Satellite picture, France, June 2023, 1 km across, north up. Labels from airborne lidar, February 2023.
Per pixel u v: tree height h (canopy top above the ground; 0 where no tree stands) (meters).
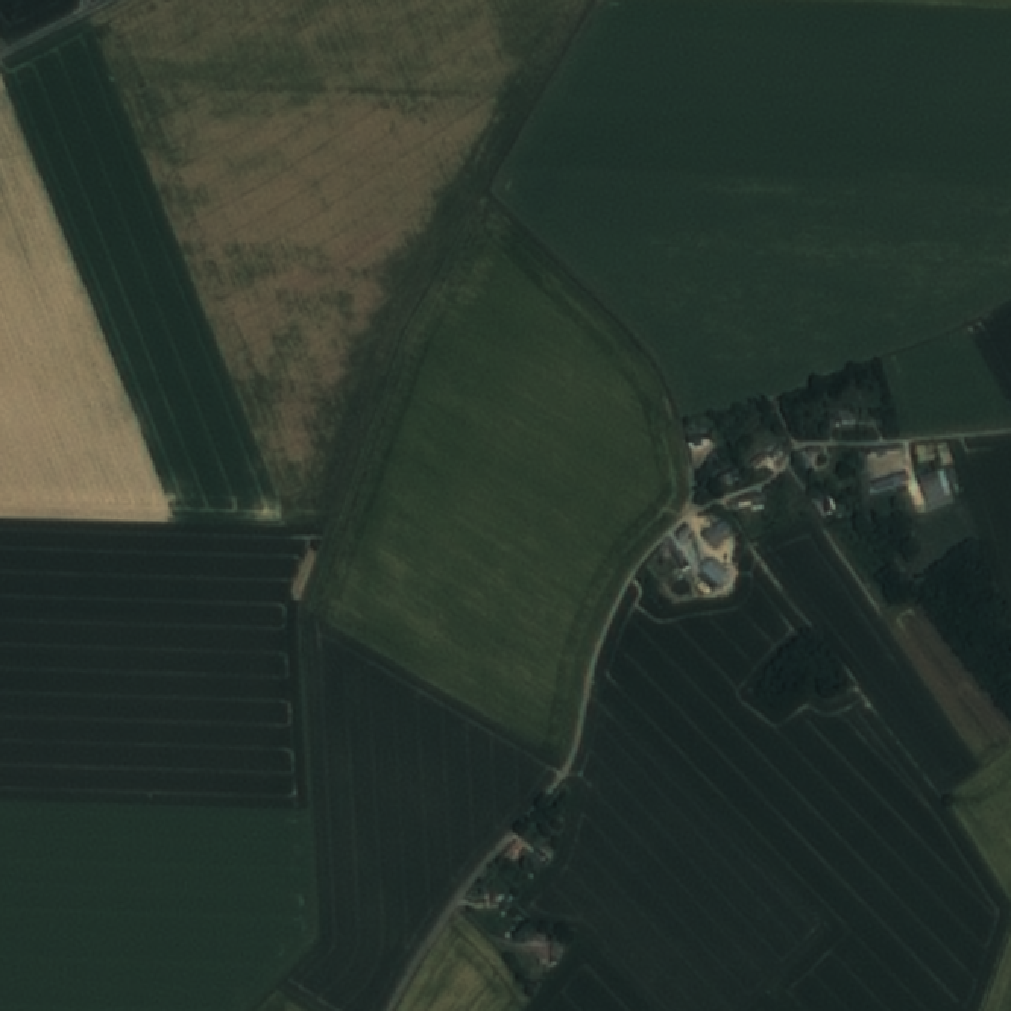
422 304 0
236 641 0
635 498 0
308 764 0
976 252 0
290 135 0
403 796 0
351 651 0
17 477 0
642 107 0
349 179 0
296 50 0
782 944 0
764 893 0
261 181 0
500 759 0
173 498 0
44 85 0
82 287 0
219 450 0
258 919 0
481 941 0
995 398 0
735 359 0
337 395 0
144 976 0
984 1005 0
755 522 0
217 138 0
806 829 0
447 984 0
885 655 0
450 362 0
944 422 0
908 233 0
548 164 0
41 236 0
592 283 0
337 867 0
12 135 0
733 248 0
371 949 0
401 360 0
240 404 0
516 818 0
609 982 0
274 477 0
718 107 0
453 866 0
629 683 0
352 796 0
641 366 0
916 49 0
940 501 0
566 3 0
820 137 0
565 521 0
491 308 0
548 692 0
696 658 0
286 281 0
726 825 0
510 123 0
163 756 0
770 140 0
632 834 0
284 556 0
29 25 0
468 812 0
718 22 0
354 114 0
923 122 0
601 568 0
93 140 0
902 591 13
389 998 0
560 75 0
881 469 0
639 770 0
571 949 0
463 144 0
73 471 0
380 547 0
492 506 0
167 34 0
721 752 0
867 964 0
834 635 0
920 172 0
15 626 0
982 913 0
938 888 0
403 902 0
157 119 0
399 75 0
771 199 0
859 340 0
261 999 0
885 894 0
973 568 10
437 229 0
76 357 0
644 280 0
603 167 0
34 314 0
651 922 0
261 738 0
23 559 0
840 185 0
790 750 0
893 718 0
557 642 0
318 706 0
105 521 0
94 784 0
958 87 0
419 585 0
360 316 0
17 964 0
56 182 0
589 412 0
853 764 0
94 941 0
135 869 0
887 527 15
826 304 0
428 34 0
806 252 0
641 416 0
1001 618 16
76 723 0
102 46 0
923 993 0
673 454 0
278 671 0
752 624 0
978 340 0
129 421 0
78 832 0
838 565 0
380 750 0
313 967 0
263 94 0
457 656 0
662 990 0
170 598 0
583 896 0
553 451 0
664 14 0
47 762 0
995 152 0
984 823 0
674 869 0
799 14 0
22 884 0
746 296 0
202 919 0
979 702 0
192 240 0
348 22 0
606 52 0
